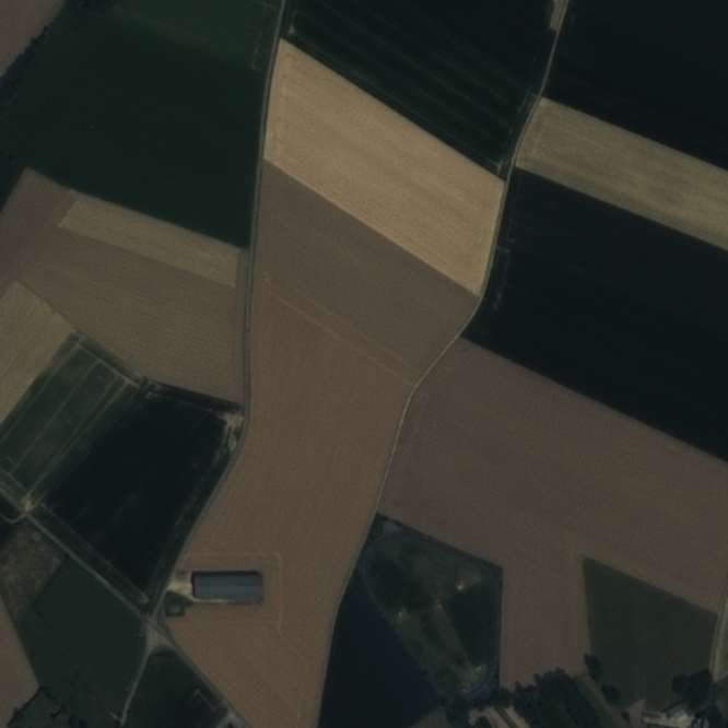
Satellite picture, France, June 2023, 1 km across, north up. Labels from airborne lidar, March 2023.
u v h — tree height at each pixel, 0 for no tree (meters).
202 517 0
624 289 0
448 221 0
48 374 0
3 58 0
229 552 0
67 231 0
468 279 0
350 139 0
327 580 0
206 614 0
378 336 0
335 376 0
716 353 0
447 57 0
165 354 0
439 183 0
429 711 0
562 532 0
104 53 0
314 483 0
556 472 0
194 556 0
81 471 0
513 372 0
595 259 0
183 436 0
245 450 0
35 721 0
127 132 0
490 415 0
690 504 0
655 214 0
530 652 0
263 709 0
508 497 0
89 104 0
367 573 0
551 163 0
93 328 0
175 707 0
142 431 0
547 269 0
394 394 0
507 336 0
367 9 0
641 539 0
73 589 0
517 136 0
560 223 0
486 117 0
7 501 0
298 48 0
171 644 0
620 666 0
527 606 0
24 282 0
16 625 0
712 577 0
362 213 0
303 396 0
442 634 0
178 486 0
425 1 0
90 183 0
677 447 0
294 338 0
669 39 0
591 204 0
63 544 0
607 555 0
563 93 0
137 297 0
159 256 0
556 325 0
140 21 0
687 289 0
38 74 0
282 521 0
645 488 0
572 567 0
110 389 0
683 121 0
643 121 0
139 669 0
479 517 0
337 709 0
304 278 0
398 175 0
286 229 0
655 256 0
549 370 0
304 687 0
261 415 0
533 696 0
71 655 0
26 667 0
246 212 0
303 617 0
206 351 0
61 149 0
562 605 0
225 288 0
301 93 0
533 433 0
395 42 0
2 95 23
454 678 0
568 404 0
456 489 0
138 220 0
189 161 0
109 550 0
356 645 0
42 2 0
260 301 0
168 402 0
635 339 0
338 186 0
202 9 0
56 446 0
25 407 0
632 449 0
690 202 0
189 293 0
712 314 0
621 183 0
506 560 0
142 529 0
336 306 0
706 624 0
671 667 0
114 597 0
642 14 0
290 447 0
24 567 0
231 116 0
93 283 0
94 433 0
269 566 0
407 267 0
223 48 0
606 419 0
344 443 0
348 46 0
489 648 0
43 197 0
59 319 0
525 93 0
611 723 0
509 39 0
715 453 0
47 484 0
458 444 0
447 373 0
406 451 0
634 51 0
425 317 0
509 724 0
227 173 0
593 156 0
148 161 0
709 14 0
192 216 0
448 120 0
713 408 0
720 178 0
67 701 0
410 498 0
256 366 0
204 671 0
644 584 0
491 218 0
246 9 0
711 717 25
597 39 0
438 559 0
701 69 0
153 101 0
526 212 0
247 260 0
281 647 0
